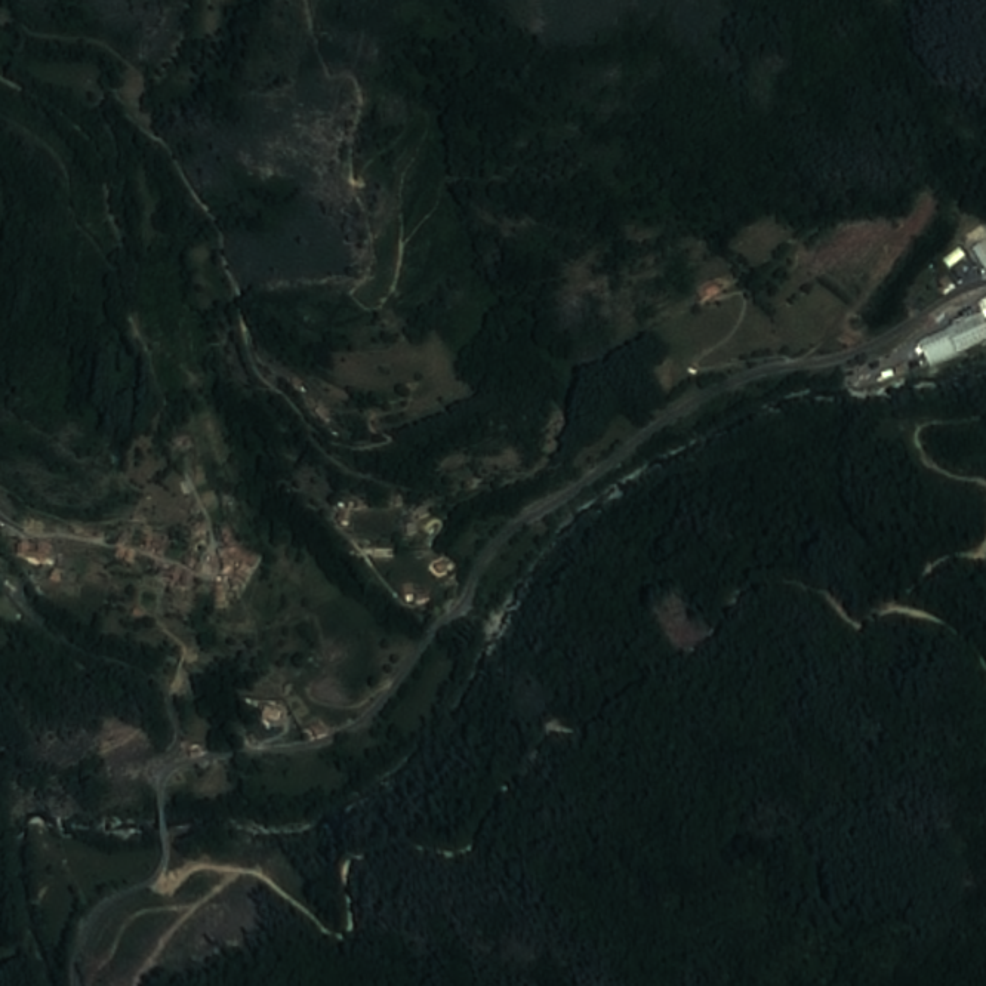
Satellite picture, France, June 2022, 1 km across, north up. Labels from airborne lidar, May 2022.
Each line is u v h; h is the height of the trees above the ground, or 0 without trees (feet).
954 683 66
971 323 0
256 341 18
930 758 48
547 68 34
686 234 28
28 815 0
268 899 84
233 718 46
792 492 25
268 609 0
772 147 48
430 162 0
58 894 0
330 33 0
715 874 41
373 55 0
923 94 47
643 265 20
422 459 38
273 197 36
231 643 32
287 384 23
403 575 0
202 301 0
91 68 0
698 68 33
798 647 62
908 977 52
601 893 63
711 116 50
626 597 79
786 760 47
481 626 44
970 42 78
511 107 34
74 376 22
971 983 32
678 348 0
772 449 24
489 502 33
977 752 61
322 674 0
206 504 0
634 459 30
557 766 43
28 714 33
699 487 25
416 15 0
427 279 0
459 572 25
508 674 21
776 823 24
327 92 0
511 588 32
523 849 56
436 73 48
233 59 39
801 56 51
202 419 0
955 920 74
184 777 0
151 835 55
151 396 113
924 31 82
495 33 37
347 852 50
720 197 56
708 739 53
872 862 119
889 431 0
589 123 39
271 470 89
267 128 0
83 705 53
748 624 52
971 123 25
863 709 83
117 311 75
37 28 22
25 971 102
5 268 52
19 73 64
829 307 0
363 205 0
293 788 0
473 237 33
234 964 52
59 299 73
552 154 21
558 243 46
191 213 54
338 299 0
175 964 0
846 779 74
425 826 69
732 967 28
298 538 47
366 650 0
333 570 43
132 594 41
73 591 0
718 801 38
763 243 0
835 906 91
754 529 48
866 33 53
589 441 100
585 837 70
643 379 111
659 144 70
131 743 0
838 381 38
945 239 23
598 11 0
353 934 47
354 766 47
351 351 29
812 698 106
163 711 41
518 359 51
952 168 29
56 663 32
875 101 126
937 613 27
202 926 0
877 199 56
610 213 34
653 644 64
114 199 47
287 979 44
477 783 43
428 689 0
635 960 57
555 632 54
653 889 48
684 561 74
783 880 55
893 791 83
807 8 62
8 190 28
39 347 73
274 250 0
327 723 0
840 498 23
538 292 28
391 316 0
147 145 49
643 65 47
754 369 45
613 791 77
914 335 0
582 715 75
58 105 51
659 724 46
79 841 45
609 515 26
